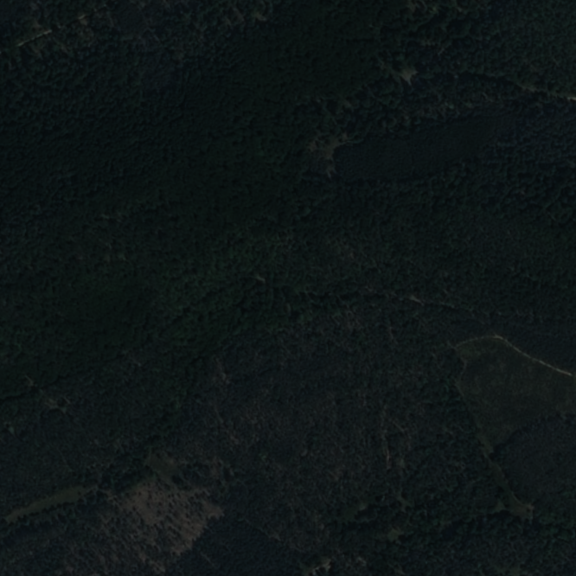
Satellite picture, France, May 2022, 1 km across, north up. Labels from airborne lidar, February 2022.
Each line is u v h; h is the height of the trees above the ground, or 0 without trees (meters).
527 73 31
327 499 20
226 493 24
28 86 32
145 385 25
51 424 25
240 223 28
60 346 25
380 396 20
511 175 30
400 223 23
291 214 30
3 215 25
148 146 25
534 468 21
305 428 20
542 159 25
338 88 33
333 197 23
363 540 23
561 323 17
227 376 20
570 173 31
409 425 20
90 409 26
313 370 24
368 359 20
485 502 13
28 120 19
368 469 20
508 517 20
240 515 21
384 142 18
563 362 15
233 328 26
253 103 27
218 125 30
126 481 27
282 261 25
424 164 17
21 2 10
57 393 25
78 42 33
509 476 23
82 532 16
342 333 21
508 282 22
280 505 20
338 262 27
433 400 21
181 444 29
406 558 22
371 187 28
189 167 22
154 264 24
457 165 27
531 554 21
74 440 25
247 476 24
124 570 22
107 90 29
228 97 25
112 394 25
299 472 20
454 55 28
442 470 21
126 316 23
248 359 19
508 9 33
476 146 15
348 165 16
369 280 25
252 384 22
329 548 23
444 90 29
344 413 20
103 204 20
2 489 28
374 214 26
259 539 16
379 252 24
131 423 26
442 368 22
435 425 23
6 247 26
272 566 17
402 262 26
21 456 28
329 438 20
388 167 16
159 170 23
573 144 28
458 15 25
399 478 19
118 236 21
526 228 19
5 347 28
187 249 23
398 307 21
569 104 17
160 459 26
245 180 29
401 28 31
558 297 22
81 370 22
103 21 10
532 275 21
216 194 23
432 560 16
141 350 22
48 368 24
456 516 13
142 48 11
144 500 22
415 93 34
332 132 33
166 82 8
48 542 21
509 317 14
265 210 30
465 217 24
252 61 25
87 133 25
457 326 18
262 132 25
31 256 21
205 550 18
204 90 24
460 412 26
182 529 0
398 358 19
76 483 11
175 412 30
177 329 23
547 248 16
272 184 30
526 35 29
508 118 13
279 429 23
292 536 21
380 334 23
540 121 24
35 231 20
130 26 15
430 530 23
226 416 23
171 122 24
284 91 29
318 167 7
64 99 35
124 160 23
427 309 12
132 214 24
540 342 15
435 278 23
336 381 20
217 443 23
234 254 24
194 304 27
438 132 15
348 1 25
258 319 28
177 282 26
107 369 22
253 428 23
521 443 20
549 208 34
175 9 7
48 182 21
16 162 24
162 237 27
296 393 18
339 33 29
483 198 27
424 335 22
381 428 22
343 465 21
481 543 23
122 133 22
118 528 21
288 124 31
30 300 20
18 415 24
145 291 25
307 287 25
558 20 23
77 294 20
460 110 6
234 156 27
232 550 18
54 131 24
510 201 25
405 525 22
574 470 22
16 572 22
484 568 21
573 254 19
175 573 18
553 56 27
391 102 30
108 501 23
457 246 23
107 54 29
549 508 19
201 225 25
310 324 17
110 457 21
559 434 21
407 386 22
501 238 18
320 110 38
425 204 20
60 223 24
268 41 27
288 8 27
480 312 15
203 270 23
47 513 15
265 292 25
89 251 17
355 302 19
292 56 26
